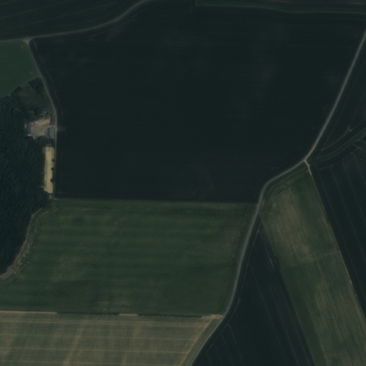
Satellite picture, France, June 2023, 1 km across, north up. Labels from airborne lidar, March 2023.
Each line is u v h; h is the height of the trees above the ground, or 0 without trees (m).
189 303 0
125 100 0
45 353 0
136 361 0
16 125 21
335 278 0
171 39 0
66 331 0
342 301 0
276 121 0
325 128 0
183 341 0
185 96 0
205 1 0
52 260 0
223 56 0
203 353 0
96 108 0
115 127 0
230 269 0
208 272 0
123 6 0
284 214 0
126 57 0
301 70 0
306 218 0
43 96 10
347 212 0
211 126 0
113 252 0
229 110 0
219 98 0
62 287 0
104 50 0
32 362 0
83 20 0
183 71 0
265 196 0
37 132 0
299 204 0
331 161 0
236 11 0
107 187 0
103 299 0
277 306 0
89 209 0
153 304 0
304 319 0
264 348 0
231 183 0
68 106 0
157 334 0
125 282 0
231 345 0
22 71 0
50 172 0
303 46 0
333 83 0
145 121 0
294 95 0
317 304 0
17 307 0
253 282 0
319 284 0
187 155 0
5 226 22
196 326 0
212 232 0
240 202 0
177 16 0
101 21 0
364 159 0
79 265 0
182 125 0
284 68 0
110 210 0
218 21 0
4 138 22
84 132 0
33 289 0
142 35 0
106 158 0
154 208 0
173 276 0
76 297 0
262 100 0
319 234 0
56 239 0
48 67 0
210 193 0
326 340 0
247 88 0
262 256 0
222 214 0
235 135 0
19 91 12
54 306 0
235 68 0
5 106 18
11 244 20
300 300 0
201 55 0
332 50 0
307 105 0
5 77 0
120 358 0
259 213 0
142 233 0
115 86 0
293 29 0
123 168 0
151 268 0
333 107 0
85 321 0
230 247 0
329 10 0
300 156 0
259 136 0
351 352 0
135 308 0
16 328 0
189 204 0
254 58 0
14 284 0
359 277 0
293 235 0
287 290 0
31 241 0
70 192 0
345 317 0
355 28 0
